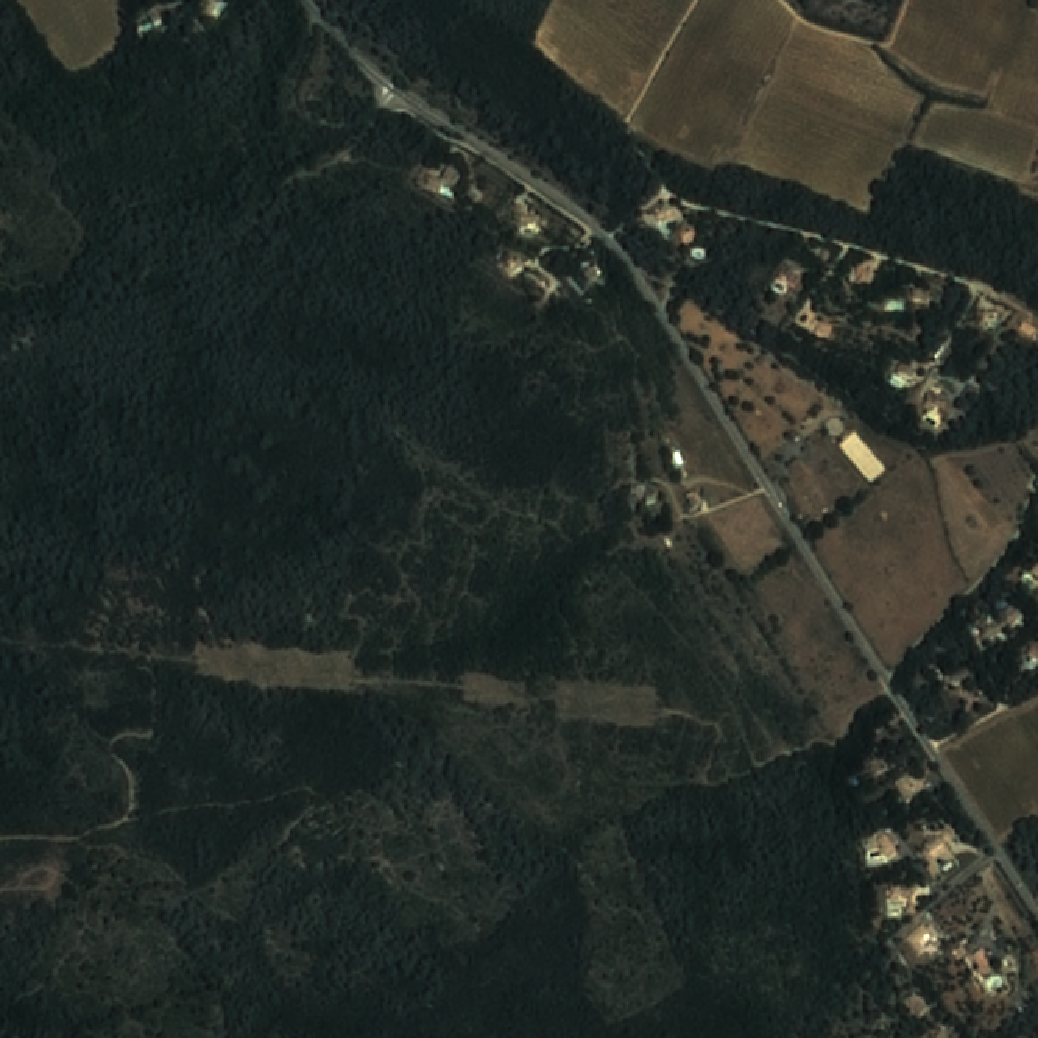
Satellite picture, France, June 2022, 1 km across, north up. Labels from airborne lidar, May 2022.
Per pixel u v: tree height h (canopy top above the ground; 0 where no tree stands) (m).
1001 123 0
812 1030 8
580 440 6
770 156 0
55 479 16
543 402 6
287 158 15
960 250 19
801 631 0
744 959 6
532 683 5
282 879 14
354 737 9
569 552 6
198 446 8
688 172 17
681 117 0
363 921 16
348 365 15
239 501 9
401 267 14
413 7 7
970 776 0
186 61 10
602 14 0
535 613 8
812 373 5
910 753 13
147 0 10
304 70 7
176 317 14
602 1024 7
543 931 6
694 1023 6
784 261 7
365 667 9
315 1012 8
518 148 6
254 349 12
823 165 0
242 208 18
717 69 0
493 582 7
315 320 9
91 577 15
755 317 21
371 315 14
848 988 15
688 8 0
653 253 21
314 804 8
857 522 0
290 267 10
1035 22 0
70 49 0
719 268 7
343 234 14
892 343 10
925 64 0
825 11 0
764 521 0
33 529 19
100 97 10
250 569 11
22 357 18
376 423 15
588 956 7
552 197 0
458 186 8
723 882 8
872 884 10
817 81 0
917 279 11
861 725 13
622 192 14
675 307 11
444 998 9
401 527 6
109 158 6
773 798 19
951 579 0
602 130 7
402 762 5
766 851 15
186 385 14
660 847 13
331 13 16
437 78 18
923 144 0
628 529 8
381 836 7
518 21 16
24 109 11
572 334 8
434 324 8
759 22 0
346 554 16
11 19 26
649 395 7
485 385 7
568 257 9
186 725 6
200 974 7
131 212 11
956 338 8
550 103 8
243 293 18
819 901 7
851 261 7
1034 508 10
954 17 0
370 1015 10
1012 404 21
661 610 7
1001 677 14
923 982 11
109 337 18
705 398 0
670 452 10
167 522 17
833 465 0
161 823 6
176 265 16
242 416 10
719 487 0
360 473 10
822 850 20
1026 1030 18
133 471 14
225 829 7
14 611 7
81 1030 12
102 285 21
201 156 7
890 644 0
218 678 10
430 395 15
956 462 0
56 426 15
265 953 6
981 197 14
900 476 0
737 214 15
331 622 11
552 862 14
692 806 11
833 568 0
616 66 0
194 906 15
